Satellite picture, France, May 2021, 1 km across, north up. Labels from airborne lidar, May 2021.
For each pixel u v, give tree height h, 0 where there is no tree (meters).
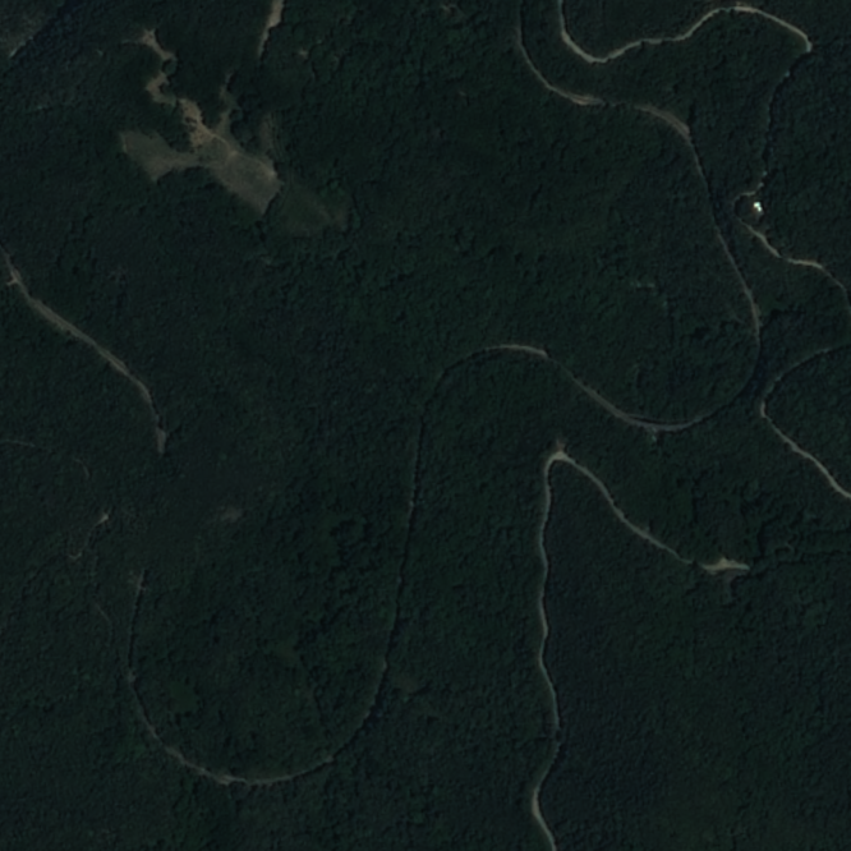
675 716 15
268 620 18
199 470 6
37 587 13
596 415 12
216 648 19
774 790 19
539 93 18
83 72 14
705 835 13
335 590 20
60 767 9
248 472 6
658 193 14
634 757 9
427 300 21
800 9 16
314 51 17
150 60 15
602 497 13
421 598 21
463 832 10
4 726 13
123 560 14
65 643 10
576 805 6
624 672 10
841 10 11
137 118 14
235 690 15
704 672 18
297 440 7
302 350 19
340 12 12
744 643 23
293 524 21
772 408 13
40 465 7
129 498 9
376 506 21
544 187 21
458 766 9
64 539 12
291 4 13
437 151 12
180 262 25
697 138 18
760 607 20
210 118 12
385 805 13
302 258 16
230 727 20
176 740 16
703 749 17
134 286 12
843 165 20
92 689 9
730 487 22
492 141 21
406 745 14
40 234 16
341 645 20
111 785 11
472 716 17
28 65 12
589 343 17
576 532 6
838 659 15
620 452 18
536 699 19
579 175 17
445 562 19
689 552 20
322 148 20
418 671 14
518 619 14
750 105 14
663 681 17
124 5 17
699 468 14
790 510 32
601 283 17
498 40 20
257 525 18
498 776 15
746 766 19
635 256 23
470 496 16
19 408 14
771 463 14
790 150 15
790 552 20
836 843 12
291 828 13
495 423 16
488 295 18
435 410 20
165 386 12
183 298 15
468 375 13
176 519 7
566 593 11
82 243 15
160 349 8
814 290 17
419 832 17
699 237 13
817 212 12
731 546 15
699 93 28
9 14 7
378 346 20
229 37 14
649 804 11
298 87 13
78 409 13
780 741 16
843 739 22
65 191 8
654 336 12
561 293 19
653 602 19
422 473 12
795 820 15
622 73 15
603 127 18
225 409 17
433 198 13
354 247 24
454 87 20
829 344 14
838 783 14
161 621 8
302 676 14
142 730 14
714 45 15
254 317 14
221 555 18
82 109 13
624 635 12
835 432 12
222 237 21
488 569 21
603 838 14
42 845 12
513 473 15
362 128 14
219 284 18
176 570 13
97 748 10
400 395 17
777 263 15
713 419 12
